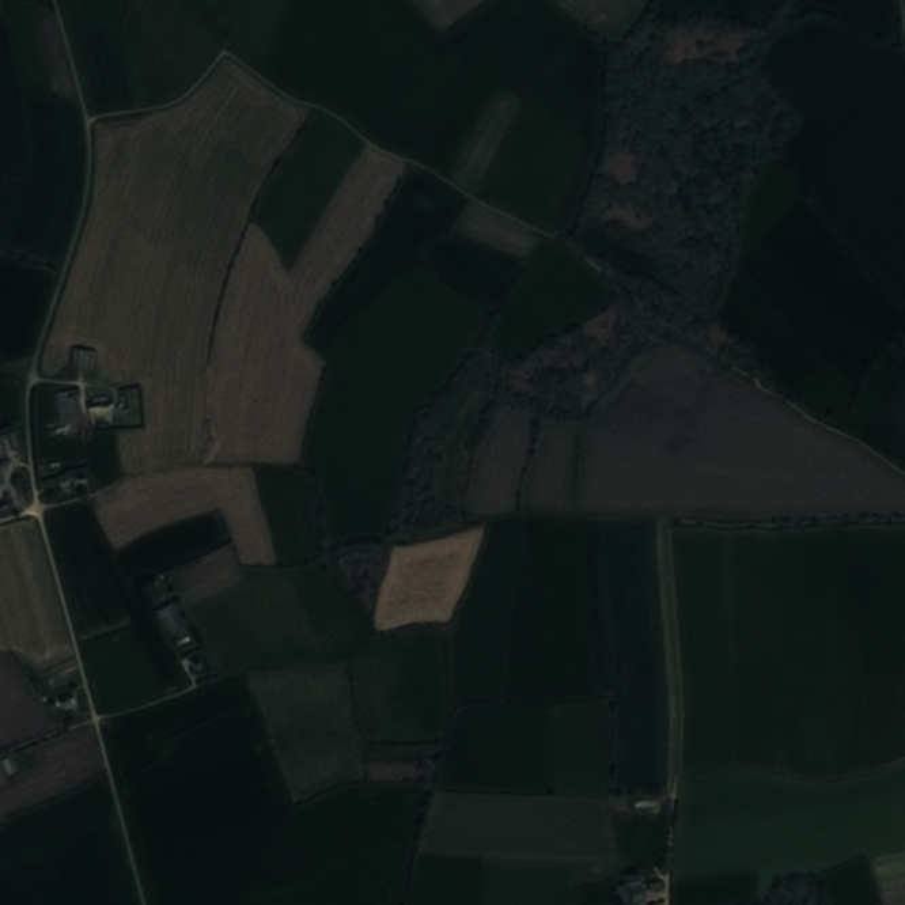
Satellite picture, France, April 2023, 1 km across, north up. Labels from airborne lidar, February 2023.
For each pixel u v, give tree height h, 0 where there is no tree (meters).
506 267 0
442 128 0
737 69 8
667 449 0
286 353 0
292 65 0
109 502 0
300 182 0
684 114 18
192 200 0
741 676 0
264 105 0
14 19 0
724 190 10
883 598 0
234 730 0
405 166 0
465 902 0
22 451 0
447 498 0
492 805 0
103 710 0
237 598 0
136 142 0
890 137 0
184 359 0
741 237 7
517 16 0
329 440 0
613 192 11
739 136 16
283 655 0
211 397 0
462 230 0
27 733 0
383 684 0
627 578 0
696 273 12
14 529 0
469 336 0
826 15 7
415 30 0
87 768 0
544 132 0
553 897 0
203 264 0
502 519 0
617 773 8
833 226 0
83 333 0
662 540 0
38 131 0
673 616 0
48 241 0
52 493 8
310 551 0
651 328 13
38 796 0
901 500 0
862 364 0
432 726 0
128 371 0
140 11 0
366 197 0
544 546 0
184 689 0
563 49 0
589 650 0
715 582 0
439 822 0
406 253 0
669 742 0
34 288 0
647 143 7
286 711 0
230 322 0
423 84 0
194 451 0
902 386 0
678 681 0
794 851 0
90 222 0
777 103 8
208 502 0
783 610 0
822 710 0
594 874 0
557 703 0
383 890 0
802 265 0
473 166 0
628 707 0
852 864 0
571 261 0
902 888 0
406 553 0
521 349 0
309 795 0
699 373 0
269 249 0
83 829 0
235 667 0
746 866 0
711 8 0
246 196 0
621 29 0
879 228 0
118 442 0
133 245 0
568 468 0
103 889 0
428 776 7
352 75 0
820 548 0
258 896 0
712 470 0
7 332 0
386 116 0
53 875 0
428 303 0
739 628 0
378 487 0
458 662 0
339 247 0
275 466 0
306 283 0
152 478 0
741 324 0
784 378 0
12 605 0
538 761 0
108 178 0
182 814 0
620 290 15
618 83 8
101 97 0
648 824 0
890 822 0
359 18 0
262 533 0
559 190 0
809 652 0
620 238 7
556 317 0
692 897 0
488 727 0
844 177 0
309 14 0
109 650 0
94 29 0
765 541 0
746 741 0
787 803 0
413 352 0
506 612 0
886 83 0
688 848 0
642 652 0
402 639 0
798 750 0
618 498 0
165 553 0
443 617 0
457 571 0
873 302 0
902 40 6
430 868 0
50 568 0
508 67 0
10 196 0
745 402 0
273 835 0
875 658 0
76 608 0
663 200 11
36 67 0
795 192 0
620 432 0
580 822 0
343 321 0
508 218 0
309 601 0
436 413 9
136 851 0
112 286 0
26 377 0
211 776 0
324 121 0
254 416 0
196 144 0
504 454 0
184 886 0
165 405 0
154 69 0
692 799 0
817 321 0
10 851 0
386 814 0
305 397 0
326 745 0
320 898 0
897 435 0
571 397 12
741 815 0
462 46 0
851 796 0
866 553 0
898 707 0
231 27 0
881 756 0
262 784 0
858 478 0
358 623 0
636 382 0
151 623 0
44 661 0
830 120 0
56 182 0
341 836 0
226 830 0
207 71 0
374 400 0
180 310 0
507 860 0
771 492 0
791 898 15
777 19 7
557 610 0
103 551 0
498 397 17
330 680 0
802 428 0
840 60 0
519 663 0
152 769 0
